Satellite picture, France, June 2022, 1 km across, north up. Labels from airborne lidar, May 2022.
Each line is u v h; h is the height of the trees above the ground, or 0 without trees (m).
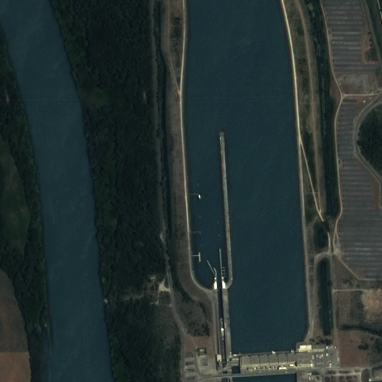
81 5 11
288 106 0
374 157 11
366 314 0
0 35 18
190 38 0
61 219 0
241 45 0
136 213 19
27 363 0
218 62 0
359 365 0
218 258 0
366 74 0
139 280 11
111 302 19
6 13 0
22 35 0
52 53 0
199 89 0
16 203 0
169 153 0
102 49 33
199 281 0
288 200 0
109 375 0
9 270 20
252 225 0
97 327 0
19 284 19
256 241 0
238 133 0
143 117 9
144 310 19
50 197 0
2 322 0
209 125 0
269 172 0
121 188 25
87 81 27
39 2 0
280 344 0
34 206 12
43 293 17
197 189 0
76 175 0
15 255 16
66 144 0
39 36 0
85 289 0
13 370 0
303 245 0
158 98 12
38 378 19
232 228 0
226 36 0
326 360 0
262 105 0
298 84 0
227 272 0
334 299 0
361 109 0
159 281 8
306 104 0
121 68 26
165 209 9
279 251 0
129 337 23
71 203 0
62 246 0
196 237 0
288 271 0
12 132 12
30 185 12
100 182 15
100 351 0
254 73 0
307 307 0
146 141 17
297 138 0
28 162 24
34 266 23
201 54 0
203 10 0
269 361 0
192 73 0
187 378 0
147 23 15
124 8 25
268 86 0
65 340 0
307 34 0
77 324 0
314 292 0
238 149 0
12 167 0
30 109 0
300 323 0
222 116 0
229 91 0
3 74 17
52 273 0
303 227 0
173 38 6
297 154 0
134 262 23
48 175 0
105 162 18
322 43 8
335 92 0
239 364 0
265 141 0
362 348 10
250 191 0
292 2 0
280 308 0
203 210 0
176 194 0
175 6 0
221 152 0
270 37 0
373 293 0
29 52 0
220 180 0
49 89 0
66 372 0
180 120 0
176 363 9
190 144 0
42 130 0
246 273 0
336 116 0
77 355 0
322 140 0
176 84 0
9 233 0
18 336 0
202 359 0
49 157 0
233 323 0
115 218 15
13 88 17
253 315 0
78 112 0
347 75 0
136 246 26
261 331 0
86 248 0
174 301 0
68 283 0
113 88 25
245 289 0
